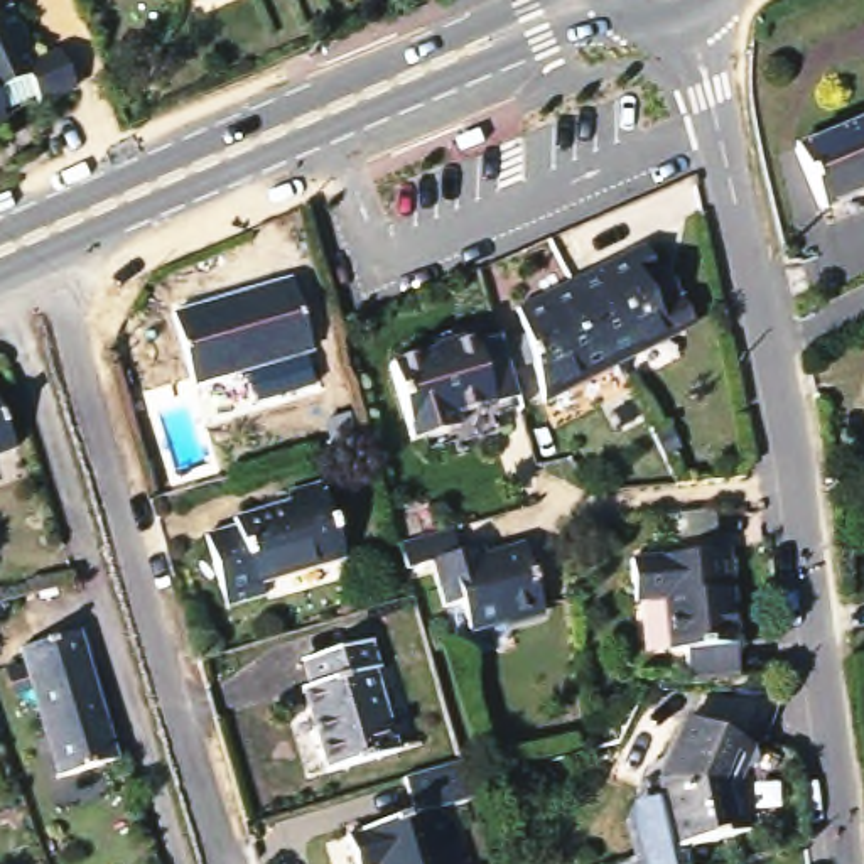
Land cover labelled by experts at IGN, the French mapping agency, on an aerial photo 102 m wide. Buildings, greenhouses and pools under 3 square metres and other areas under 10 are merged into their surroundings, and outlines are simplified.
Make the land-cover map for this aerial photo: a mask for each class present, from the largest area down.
<instances>
[{"label":"impervious surface","instance_id":"1","mask_svg":"<svg viewBox=\"0 0 864 864\"><path fill-rule=\"evenodd\" d=\"M770 0H425V7H419L408 17L368 24L365 30L344 41L311 47L267 71L209 91L196 101H186L172 111H162L138 128H122L111 105L101 98L105 41L84 24L74 0H0V44L14 71L34 74L37 81L54 68H74V74L81 78V101H74L71 95L41 98L61 115L51 128V152L27 165L20 199L0 192V354L10 365V378H20L24 371L37 378L41 432L71 527L68 543L81 560L95 567V577L81 584L57 587L54 614L61 621L81 608L95 611L132 732L145 749V763H162L169 749H179L186 786L192 793V807L213 864H304L300 854L307 851V840L314 834H341L344 827H354V837L368 834V824H378V817L392 813L381 800L365 793L317 807L267 824L263 834L250 830L223 722L213 702L226 692L230 709L236 712L246 709L250 716L263 719L267 709H273L277 702L294 709L297 716L290 726L300 743L307 780L344 773L365 763L398 759L392 746H368L365 753L351 756L327 753L321 726H314L300 712L304 675L297 672V662L314 651V641L300 638L297 631H280L250 645H233L230 648V658L223 665L219 658L203 662V655L192 648L186 611L172 591V581L152 567V554H162L165 543L162 527L152 523V516L142 496L145 483L138 435L128 412V392L122 385V375L115 368V381L101 388L88 354V334L95 331L111 344L122 327V314L132 307L159 263L230 236L233 219L253 223L287 206H304L314 196H344V203L331 213L338 246L351 257L354 267V287L338 284L341 314V317L348 314L368 321L381 331L388 311L385 294L415 290L422 287V280L435 284L446 277V267H452L466 284L479 277L486 284L489 311L503 304L493 267L520 273L530 253H547V240L560 246V260L570 273L631 250L651 233L675 236L685 230V219L692 213L705 219L716 270L726 294L729 334L736 344L749 425L756 452H763V462L753 476H695L672 486H628L618 493V500L608 493L587 496L581 486L570 483L557 476H533L530 493L543 496L537 506H523L503 516H483L469 520V530H557L560 520H567L570 510L581 506L591 523H597L604 533L628 547L631 543L638 537V523H628V506L655 500H709L719 493H743L749 500L746 523V543L753 547V577H773V587L786 594L790 614L797 618L780 641H763L756 631L753 638L739 641V662L746 675L763 672L766 665H786L797 678L807 682L783 712L766 699L763 689L746 685L726 689L705 699V692L682 695L672 682H648V709H631L611 736L604 746L608 753L614 759L611 773L631 783L638 800L651 797L648 776L668 759V743L699 709H705L709 719L729 722L759 749L756 783H780L783 793L790 783H800L803 776L810 780V817L817 837L803 851L807 864H864V776L857 759L844 658L851 645L864 651V604L854 611V604H844L840 597L830 506L834 479L824 473L820 395L813 375H807L803 368L807 344L824 331L864 314V287L837 294L810 314H797V294H803L830 267H840L847 277L864 270V216L854 213L837 223H824L820 209L810 196L807 176L797 165L793 152L783 155V176L793 213L797 230L820 243L813 257L790 253L780 219L753 108V24ZM631 61H641V74L651 84H658V95L668 105L665 118H645L631 111L635 101L618 84V74ZM34 142L27 128V111L20 105L0 125V165L14 159V152H20V145ZM520 324L523 354L533 368L537 385L523 395H503L493 402H479L469 388L462 398L466 419L432 425L422 439H442L452 449L496 446L503 452V469L513 473L530 456L523 412L533 405H540L543 419L557 425L564 419L584 415L594 398H604V408H618L621 419L638 415V408L628 402V388L624 371L614 368L560 395H550L543 341L537 338L523 304L510 307ZM678 348L665 341L638 351L635 358L645 368L672 365ZM317 398L314 385L280 395H257L253 381L240 371L213 375L203 381L196 378L182 381L176 395L169 388L145 392V408L165 462L169 486H192L206 476H216L219 469V452L209 442V425H230L257 412L311 402ZM176 405L189 408L192 439L203 456V462L186 473L176 466L165 439V415ZM341 581V560H324L280 574L270 591L273 601H284L287 594ZM645 648L658 655L672 641L668 604L662 597H651L635 608ZM155 813L176 864H192L172 800L162 790L155 797ZM331 864H365L361 847L354 840H334L327 847Z\"/></svg>","mask_w":864,"mask_h":864},{"label":"building","instance_id":"2","mask_svg":"<svg viewBox=\"0 0 864 864\"><path fill-rule=\"evenodd\" d=\"M71 95L74 101H81V78L74 74V68H54L37 81L34 74L14 71L0 44V125L20 105L41 98ZM797 165L807 176L810 196L820 209L827 206V196L840 199L847 189L864 186V111L834 122L830 111H827L824 122L813 128L810 142L793 145V152ZM537 338L543 341L550 395H560L614 368L621 358H635L638 351L665 341L672 331L695 327L699 317H705L709 290L699 280V253L689 243H678L675 236L651 233L631 250L570 273L567 280L537 290L523 304ZM182 327L192 341L196 378L203 381L213 375L240 371L253 381L257 395H280L314 385L327 371V321L321 284L307 267L273 270L233 287L189 297V304L182 307ZM398 408L408 439H422L432 425L466 419L462 398L469 388L479 402H493L503 395H523L537 385L533 368L523 354L520 324L510 307L503 304L489 311L446 317L425 327L415 338L412 351L388 361V371ZM20 439L14 435L10 408L0 398V452L14 449ZM338 486L321 479H300L294 489L280 496H246L240 503V510L219 520L213 533L199 537L206 540L209 554V560L199 564V574L213 581L219 591L230 587V597L236 601L270 591L280 574L324 560H341L351 554L344 540V513L331 503V493ZM395 530L402 533L395 543L402 564L415 577H425L432 584L439 608L449 611L456 624H466L473 631H500V624L533 618L560 604V564L550 550L547 530H432V510L425 503H412L405 516H395ZM678 540L655 543L645 554L631 543L628 547L624 567L631 591L635 608L651 597H662L668 604L672 641L658 655L685 658L692 675L712 678L726 689L746 685V675L739 662V641L753 638L756 631V621L749 614L753 577V547L746 543V523L739 516H716V510H695L678 513ZM27 668L24 678V702H30L34 716L41 719V753L51 756L54 780H74L91 770H108L111 756L132 759L135 776L149 783V793L155 797L162 790L169 773L162 763H145V749L132 732L95 611L81 608L61 621L41 628L17 655ZM297 672L304 675L300 712L314 726H321L327 753L351 756L365 753L368 746H392L422 743V729L419 702L408 699V685L395 658L392 635L385 628L381 611L375 608L361 611V621L354 628H331L321 631L314 641V651L297 662ZM759 749L729 722L709 719L705 709H699L668 743V759L648 776L651 797L638 800L628 817L635 851L628 857L631 864H709L712 851L705 844L749 837L753 827L776 834V844H786L797 830V817L790 807H783V793L780 783H756ZM392 813L378 817V824H368V834L354 837V840L361 847L365 864H486L476 837L459 824L456 807L469 803V786L459 776L456 756L449 753L419 759L412 766V776H402V786L388 790L381 800Z\"/></svg>","mask_w":864,"mask_h":864},{"label":"brushwood","instance_id":"3","mask_svg":"<svg viewBox=\"0 0 864 864\"><path fill-rule=\"evenodd\" d=\"M84 24L105 41L101 98L111 105L122 128H138L162 111H172L186 101H196L209 91L267 71L311 47L344 41L365 30L368 24L408 17L419 7H425V0H297L300 17L311 27L290 37L287 44H273L250 54L223 37V20L213 10H199L192 0H165L169 7L155 20L132 27L118 20L115 0H74ZM803 54L797 47H780L766 64H753V71L763 84H786L800 71ZM618 84L635 101L631 111L645 118H665L668 105L658 95V84H651L641 74V61H631L618 74ZM813 98L827 111H830L844 108V88L837 81H817ZM27 111V128L34 142L20 145V152H14V159L0 165V192L20 199L27 165L51 152V128L61 115L41 98L20 105ZM344 203V196H314L304 206L311 246L307 267L321 284L327 321L341 314L338 284L354 287V267L351 257L338 246L331 213ZM678 243H689L699 253V280L709 290L705 317L716 321L722 334H729L726 294L716 270L705 219L692 213L685 219V230L675 236ZM790 253L813 257L820 243L797 230L793 213L780 219ZM260 233L253 223L233 219L230 236L159 263L132 307L145 314L155 294L169 287L176 273L253 243ZM388 311L381 331L368 321L348 314L341 317L344 351L354 375L378 378L381 371H388V361L412 351L415 338L425 327L446 317L489 311L486 284L479 277L466 284L452 267H446V277L435 284L422 280V287L415 290L385 294ZM864 287V270L847 277L840 267H830L803 294H797V314H810L837 294ZM864 348V314L824 331L807 344L803 368L807 375H813L844 358L847 351ZM628 402L638 408V415L645 419L638 435L624 446H608L604 452H587V435L574 432V449L567 456H574L577 476L570 483L581 486L587 496L608 493L618 500V493L628 486H672L695 476H753L763 462V452H756L749 425L716 459L692 456L678 462V435L675 429H668V419L658 408L655 395L645 385L628 388ZM658 429L672 456L662 459V469L655 476H635V462L645 452H651L648 435ZM861 408H847L837 388H824L820 395L824 473L834 479L830 506L840 597L844 604H854V611L864 604V459L857 456L854 435L847 432L851 419ZM324 449L304 442L253 462L240 456L236 462L219 469L216 476H206L192 486H169V493L162 496L145 483L142 496L152 516L192 513L196 506L219 496H236L240 503L246 496H280L294 489L300 479H321L338 486L351 493L368 489V527L375 537L395 543L402 533L395 530V516H405L412 503H425L432 510V530H469V520L483 516L479 510L466 506V496L459 489L439 493L405 473L402 449L408 446V439L398 408L371 422L341 425L338 432H324ZM37 473L17 483V493L24 500H44L47 537L68 543L71 527L41 432L27 439ZM695 510H716V516H739L746 523L749 500L743 493H719L709 500H655L628 506V523H638V537L631 543L645 554L655 543L678 540V513ZM209 560V554L206 540L199 537H176L165 543L162 554H152V567L172 581V591L186 611L192 648L203 655V662L219 658L223 665L230 658V648L209 638V621L203 618L206 608L219 601V591L213 581L199 574V564ZM392 597V570L375 554H351L341 560V604L361 611L375 608ZM81 584L74 577L71 560L51 567H20L17 577L0 581V648L3 624L14 614H24L27 594L57 587ZM574 594L584 601V668L570 682H564L554 692V699L560 705L577 702L584 709L581 722L587 729L611 736L631 709H648V682H672L682 695L705 692V699L726 689L712 678L692 675L685 658L658 655L645 648L635 608L631 591L601 594L594 584L577 581ZM280 631H297V614L284 601H273L253 621L233 624V645H250ZM489 729L462 743L456 756L459 776L469 786V803L456 807L459 824L476 837L486 864H631L628 857L635 851H611L601 837L591 834V820L601 813L597 793L608 783V773L594 766V759L608 753L604 746L597 749L594 743H584L574 732L547 739L540 726L513 712L500 685L496 651L479 665ZM213 702L223 722L250 830L263 834L267 824L317 807L311 786L294 797L260 800L236 712L230 709L226 692ZM108 793L122 797V803L128 807V820L142 824V830L152 837L159 864H176L155 813V797L149 793V783L135 776L132 759L111 756L108 770ZM24 810V824L34 834V844L24 851L30 864H78L91 857V840L74 834L71 820L57 817L64 847L51 851L37 793L30 790L20 797L7 786L0 773V813ZM810 780L803 776L800 783H790L783 793V807H790L797 817V830L786 844H776V834L753 827L749 837L705 844L712 851L709 864H807L803 851L817 837L810 817Z\"/></svg>","mask_w":864,"mask_h":864},{"label":"herbaceous vegetation","instance_id":"4","mask_svg":"<svg viewBox=\"0 0 864 864\"><path fill-rule=\"evenodd\" d=\"M169 7L165 0H115L118 20L132 27L155 20ZM199 10H213L223 20V37L250 54L273 44H287L290 37L311 27L300 17L297 0H192ZM864 24V0H770L753 24V64H766L780 47H797L803 54L807 47L837 30ZM844 88V108L830 111L834 122L864 111V57H857L851 71H840L837 81ZM817 81L800 71L786 84H763L753 71V108L780 219L793 213L783 176V155L793 152V145L810 142L813 128L824 122L827 111L813 98ZM665 341L678 348L672 365L645 368L635 358H621L614 368L624 371L628 388L645 385L655 395L658 408L668 419V429H675L678 435V462L692 456L716 459L749 425L736 344L729 334H722L716 321L705 317H699L695 327L672 331ZM820 395L824 388H837L847 408H861L851 419L847 432L854 435L857 456L864 459V348L847 351L844 358L813 375ZM0 398L10 408L14 435L20 439L14 449L0 452V489L17 483L37 473L27 439L41 432L37 378L24 371L20 378H10V365L0 354ZM398 408L388 371H381L378 378L354 375L351 402L334 408V422L341 425L371 422ZM530 456L513 473L503 469V452L496 446L452 449L442 439H408V446L402 449L405 473L439 493L459 489L466 496V506L479 510L483 516H503L523 506H537L543 496L530 493L533 476H557L570 483L577 476L574 456H567L574 449V432L587 435V452H604L608 446H624L638 435L645 419L638 415L621 419L618 408H604V398H594L584 415L564 419L557 425L543 419L540 405H533L523 412ZM651 452H645L635 462V476H655L662 469V459L672 456L658 429L648 435ZM331 503L344 513V540L351 554H375L392 570V597L375 608L381 611L385 628L392 635L395 658L408 685V699L419 702L422 729V743L392 746L398 759L365 763L344 773L307 780L300 743L290 726L297 716L294 709L277 702L273 709H267L263 719L250 716L246 709L236 712L260 800L294 797L311 786L317 807L365 793L381 800L388 790L402 786V776H412V766L419 759L449 753L456 756L462 743L489 729L479 665L496 651L500 685L513 712L540 726L547 739L574 732L584 743H594L597 749L604 746L611 736L587 729L581 722L584 709L577 702L560 705L554 699V692L564 682H570L584 668V608L560 597V604L533 618L500 624V631H473L466 624H456L449 611L439 608L432 584L425 577H415L402 564L395 543L375 537L368 527V489L351 493L338 486L331 493ZM284 601L297 614V631L300 638L314 641L321 631L331 628H354L361 621V611L341 604V581L287 594ZM273 601L270 591L236 601L230 597V587L219 591V601L206 608L203 618L209 621V638L230 648L233 645V624L253 621ZM24 678H10V662H0V773L7 786L20 797L30 790L37 793L51 851L64 847L57 817L71 820L74 834L91 840V857L78 864H159L152 837L142 830V824L128 820V807L122 803V797L108 793V770H91L74 780H54L51 756L41 753V719L34 716L30 702H24ZM169 773L162 790L172 800L192 864H213L192 807V793L186 786L179 749H169L162 763ZM594 766L608 773V783L597 793L601 813L591 820V834L601 837L611 851H635L628 817L638 800L631 783L611 773L614 759L608 753L594 759ZM34 844V834L24 824V810L0 813V864H30L24 851ZM354 840V827H344L341 834H314L307 840V851L300 854L304 864H331L327 847L334 840Z\"/></svg>","mask_w":864,"mask_h":864},{"label":"pervious surface","instance_id":"5","mask_svg":"<svg viewBox=\"0 0 864 864\"><path fill-rule=\"evenodd\" d=\"M857 57H864V24L837 30L807 47L803 54L800 71L817 81H837L840 71H851ZM854 213L864 216V186L847 189L840 199L827 196V206L820 209L824 223H837ZM260 233L253 243L176 273L169 287L155 294L145 314L132 307L122 314V327L111 344L95 331L88 334V354L101 388L115 381V368L122 375V385L128 392V412L138 435L145 483L162 496L169 493V486L165 462L145 408V392L169 388L176 395L182 381L196 378L192 341L182 327V307L189 304V297L233 287L273 270L307 267L311 246L304 206H287L253 223ZM503 304L510 307L523 304L537 290L567 280L570 273L560 260V246L547 240V253H530L520 273L493 267ZM327 371L314 385L317 398L311 402L257 412L230 425H209V442L219 452V469L236 462L240 456L253 462L304 442L324 449V432H338L341 425L334 422V408L351 402L354 375L344 351L341 317V314L327 321ZM71 560L74 577L81 584L95 577V567L81 560L68 543L47 537L44 500H24L17 493V483L0 489V581L17 577L20 567H51ZM240 510V503L236 496H219L196 506L192 513L152 516V523L162 527L165 543L176 537H199L213 533L219 520ZM57 587L27 594L24 614H14L3 624L0 648V662H10V678H24L27 668L17 655L41 628L61 621L54 614Z\"/></svg>","mask_w":864,"mask_h":864},{"label":"deciduous trees","instance_id":"6","mask_svg":"<svg viewBox=\"0 0 864 864\"><path fill-rule=\"evenodd\" d=\"M550 550L560 564V597L584 608V601L574 594L577 581L594 584L601 594L631 591L624 567L628 547L604 533L597 523H591L581 506L570 510L567 520H560L557 530H547ZM749 614L756 621V631L763 641H780L797 618L790 614L786 594L773 587V577H753ZM857 759L864 776V651L851 645L844 658ZM746 685L763 689L766 699L783 712L807 682L797 678L786 665H766L763 672L746 675Z\"/></svg>","mask_w":864,"mask_h":864},{"label":"swimming pool","instance_id":"7","mask_svg":"<svg viewBox=\"0 0 864 864\"><path fill-rule=\"evenodd\" d=\"M165 439L176 466L186 473L203 462V456L192 439L189 408L176 405L165 415Z\"/></svg>","mask_w":864,"mask_h":864}]
</instances>
